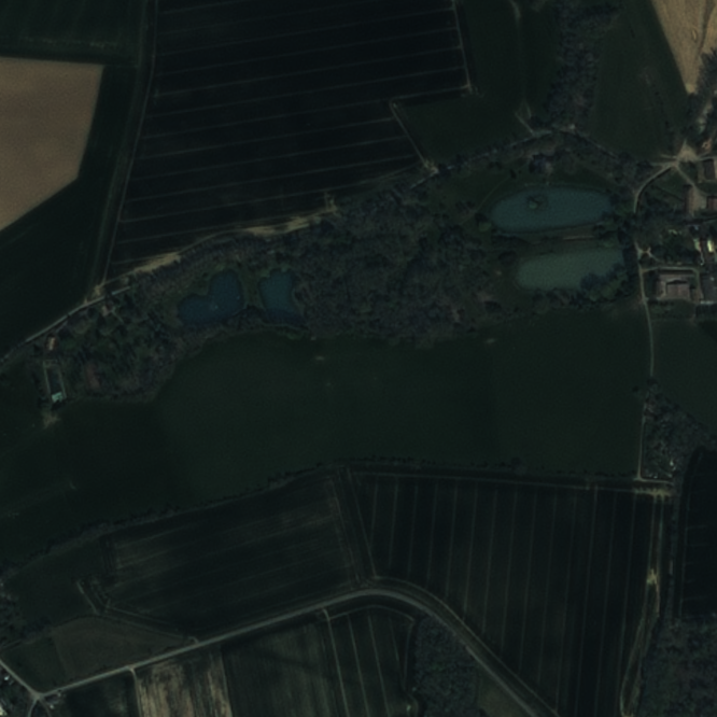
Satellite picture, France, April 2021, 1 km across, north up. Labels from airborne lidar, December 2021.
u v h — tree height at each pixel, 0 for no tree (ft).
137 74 0
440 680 67
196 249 0
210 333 51
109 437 0
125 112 0
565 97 79
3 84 0
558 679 0
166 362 83
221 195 0
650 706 71
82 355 0
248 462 0
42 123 0
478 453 0
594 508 0
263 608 0
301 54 0
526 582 0
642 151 0
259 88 0
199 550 0
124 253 0
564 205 0
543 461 0
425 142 0
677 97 0
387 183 0
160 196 0
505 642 0
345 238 36
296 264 66
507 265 26
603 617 0
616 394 0
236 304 0
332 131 0
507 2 0
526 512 0
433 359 0
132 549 0
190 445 0
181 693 0
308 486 0
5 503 0
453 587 0
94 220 0
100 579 0
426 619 50
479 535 0
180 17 0
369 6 0
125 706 0
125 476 0
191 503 0
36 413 0
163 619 0
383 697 0
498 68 0
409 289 68
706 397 0
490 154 52
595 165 30
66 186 0
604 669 0
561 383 0
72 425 0
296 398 0
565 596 0
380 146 0
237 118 0
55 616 0
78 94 0
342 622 0
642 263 27
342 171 0
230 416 0
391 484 0
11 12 0
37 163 0
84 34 0
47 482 0
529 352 0
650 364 0
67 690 0
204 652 0
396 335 90
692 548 0
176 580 0
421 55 0
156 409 0
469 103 0
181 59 0
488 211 0
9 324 0
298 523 0
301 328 88
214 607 0
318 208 0
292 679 0
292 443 0
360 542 0
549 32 0
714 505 0
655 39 0
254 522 0
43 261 0
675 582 29
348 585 0
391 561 0
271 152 0
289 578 0
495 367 0
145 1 0
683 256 73
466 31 0
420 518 0
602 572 0
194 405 0
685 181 0
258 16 0
